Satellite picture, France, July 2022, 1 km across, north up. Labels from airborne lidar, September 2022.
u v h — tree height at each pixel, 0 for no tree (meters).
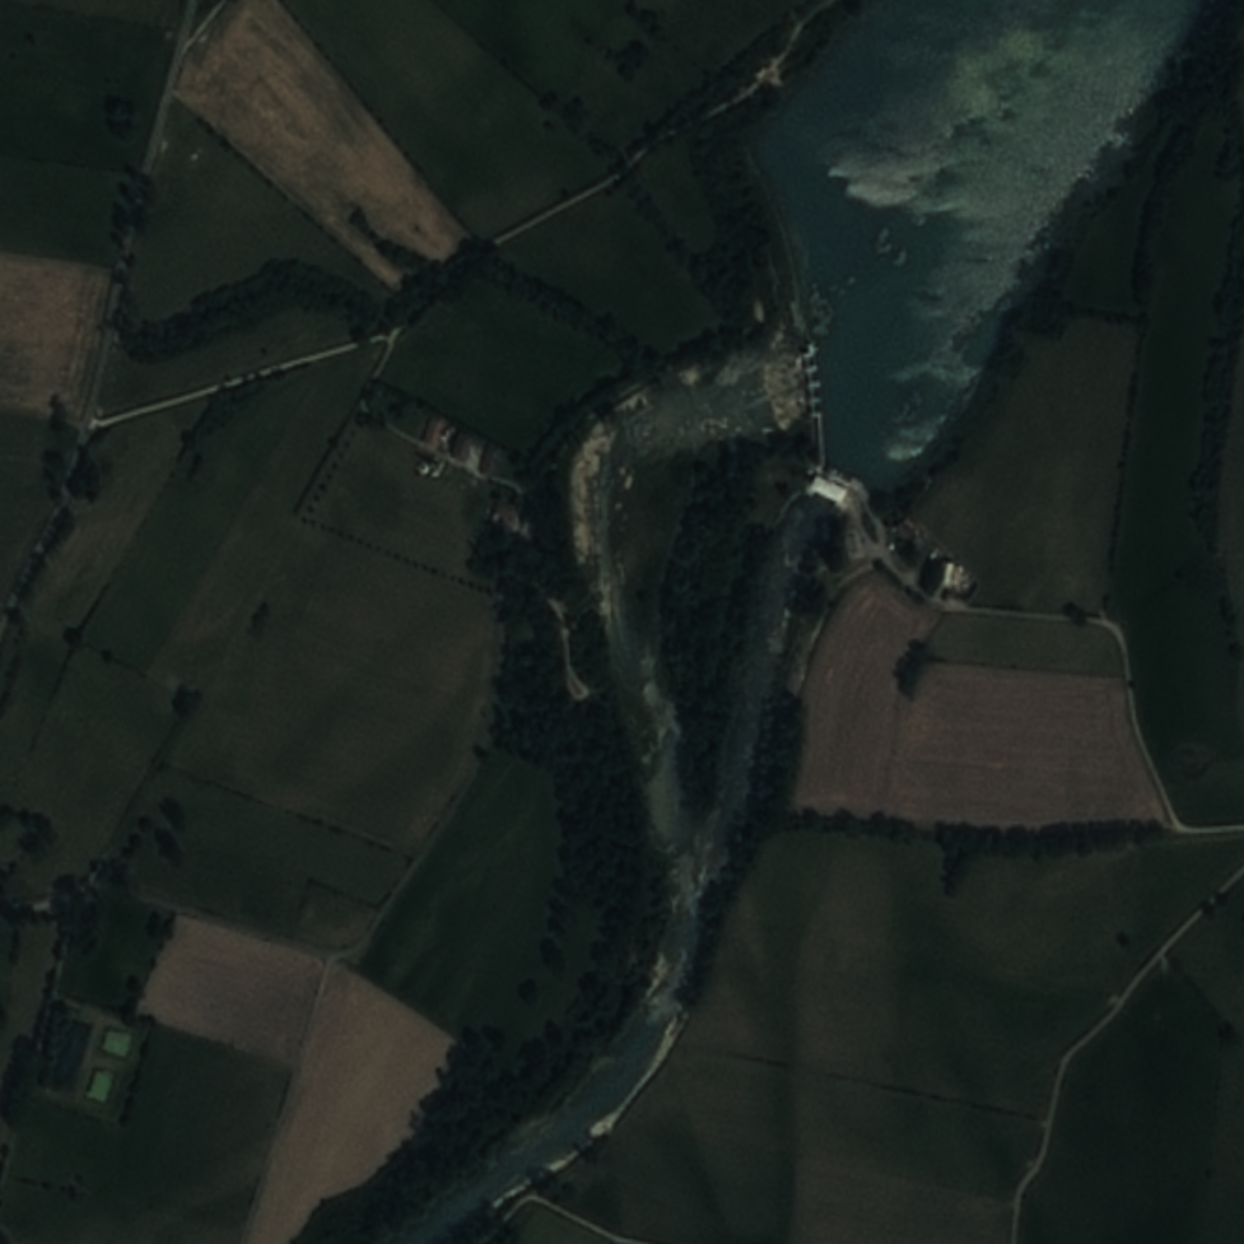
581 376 0
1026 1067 0
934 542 0
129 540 0
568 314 20
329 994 0
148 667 0
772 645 0
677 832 0
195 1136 0
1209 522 8
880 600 0
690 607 10
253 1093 0
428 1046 0
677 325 0
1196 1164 0
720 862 0
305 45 0
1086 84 0
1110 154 0
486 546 7
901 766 0
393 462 0
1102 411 0
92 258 0
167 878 0
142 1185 0
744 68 9
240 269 0
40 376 0
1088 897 0
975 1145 0
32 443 0
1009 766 0
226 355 0
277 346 0
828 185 0
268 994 0
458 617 0
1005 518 0
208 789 0
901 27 0
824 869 0
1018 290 0
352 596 0
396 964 0
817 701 0
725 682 16
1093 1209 0
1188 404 0
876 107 0
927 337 0
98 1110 0
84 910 30
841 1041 0
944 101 0
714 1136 0
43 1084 10
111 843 0
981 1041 0
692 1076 0
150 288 0
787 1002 0
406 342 0
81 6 0
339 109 0
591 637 8
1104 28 0
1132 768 0
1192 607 0
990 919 0
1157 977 0
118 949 0
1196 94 21
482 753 13
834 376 0
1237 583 0
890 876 0
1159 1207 0
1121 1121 0
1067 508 0
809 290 0
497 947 0
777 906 0
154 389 0
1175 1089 0
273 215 0
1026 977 0
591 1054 12
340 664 0
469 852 0
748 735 0
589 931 0
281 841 0
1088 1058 0
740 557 7
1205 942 0
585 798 22
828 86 0
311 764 0
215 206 0
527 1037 0
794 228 0
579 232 0
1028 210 0
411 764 0
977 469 0
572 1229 0
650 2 0
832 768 0
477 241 11
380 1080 0
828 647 0
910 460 0
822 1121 0
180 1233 0
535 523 31
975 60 0
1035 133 0
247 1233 0
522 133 0
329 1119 0
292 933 0
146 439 0
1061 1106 0
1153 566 0
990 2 0
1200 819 0
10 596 0
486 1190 0
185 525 0
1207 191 0
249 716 0
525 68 0
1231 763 0
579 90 0
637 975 7
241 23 0
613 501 0
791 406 0
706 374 0
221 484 0
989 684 0
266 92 0
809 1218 0
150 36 0
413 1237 0
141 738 0
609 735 25
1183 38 0
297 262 6
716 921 13
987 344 0
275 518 0
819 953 0
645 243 0
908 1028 0
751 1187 0
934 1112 0
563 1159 0
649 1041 0
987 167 0
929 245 0
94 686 0
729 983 0
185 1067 0
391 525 0
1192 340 0
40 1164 0
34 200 0
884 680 0
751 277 8
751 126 10
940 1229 0
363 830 0
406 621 0
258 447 0
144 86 0
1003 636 0
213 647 0
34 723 0
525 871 0
